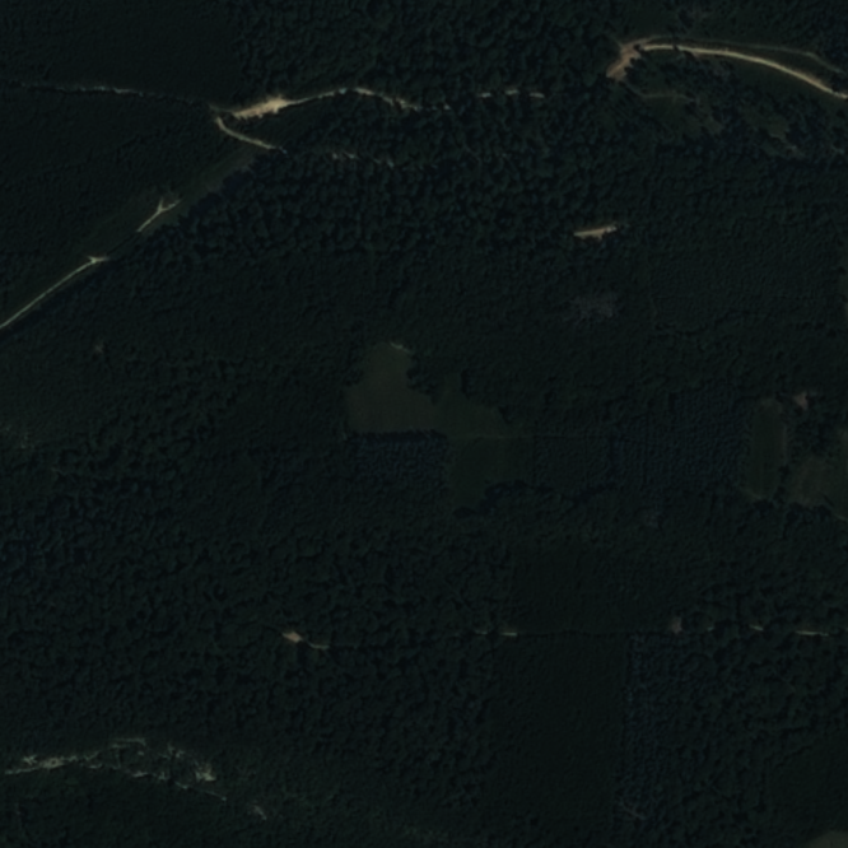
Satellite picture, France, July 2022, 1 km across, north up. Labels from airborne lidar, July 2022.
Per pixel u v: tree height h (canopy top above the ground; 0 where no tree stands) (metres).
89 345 19
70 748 13
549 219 32
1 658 30
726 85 21
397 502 29
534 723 15
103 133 15
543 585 9
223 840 31
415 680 30
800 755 13
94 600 31
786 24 14
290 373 7
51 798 32
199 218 19
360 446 28
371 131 28
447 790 12
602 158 29
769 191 28
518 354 18
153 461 33
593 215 27
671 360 29
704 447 22
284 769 16
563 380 31
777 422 0
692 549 14
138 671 25
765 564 23
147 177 17
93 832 25
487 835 6
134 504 30
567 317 22
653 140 31
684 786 24
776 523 27
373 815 21
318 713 25
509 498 34
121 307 24
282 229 33
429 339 12
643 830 11
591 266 22
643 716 27
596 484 9
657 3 6
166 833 28
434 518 18
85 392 16
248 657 25
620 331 22
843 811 17
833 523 31
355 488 26
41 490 33
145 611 30
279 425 20
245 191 27
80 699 25
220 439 20
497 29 24
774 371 27
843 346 19
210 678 31
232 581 32
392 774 22
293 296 24
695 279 7
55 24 18
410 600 34
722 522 29
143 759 18
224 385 25
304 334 22
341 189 33
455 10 20
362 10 17
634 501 18
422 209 32
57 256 9
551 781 16
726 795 28
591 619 14
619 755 17
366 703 25
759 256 7
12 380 19
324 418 17
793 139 0
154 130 13
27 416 9
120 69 17
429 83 28
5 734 25
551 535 20
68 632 32
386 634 28
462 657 27
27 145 16
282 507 20
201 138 20
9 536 29
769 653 25
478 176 33
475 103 31
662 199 22
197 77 17
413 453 34
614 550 15
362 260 25
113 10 19
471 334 16
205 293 25
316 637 31
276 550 30
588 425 8
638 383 28
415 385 18
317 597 31
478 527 21
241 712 12
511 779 14
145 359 21
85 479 27
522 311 14
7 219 13
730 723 24
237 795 16
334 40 26
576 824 9
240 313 23
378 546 29
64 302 20
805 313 9
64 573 32
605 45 29
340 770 17
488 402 24
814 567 19
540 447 8
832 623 23
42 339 20
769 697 22
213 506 29
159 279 23
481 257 25
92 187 14
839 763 13
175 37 17
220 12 18
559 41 36
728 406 21
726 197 26
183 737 15
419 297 22
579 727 15
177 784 24
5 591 23
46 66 17
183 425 31
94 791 26
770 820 20
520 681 15
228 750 21
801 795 16
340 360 10
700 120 36
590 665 16
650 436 26
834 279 9
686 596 15
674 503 28
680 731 23
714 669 24
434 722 30
